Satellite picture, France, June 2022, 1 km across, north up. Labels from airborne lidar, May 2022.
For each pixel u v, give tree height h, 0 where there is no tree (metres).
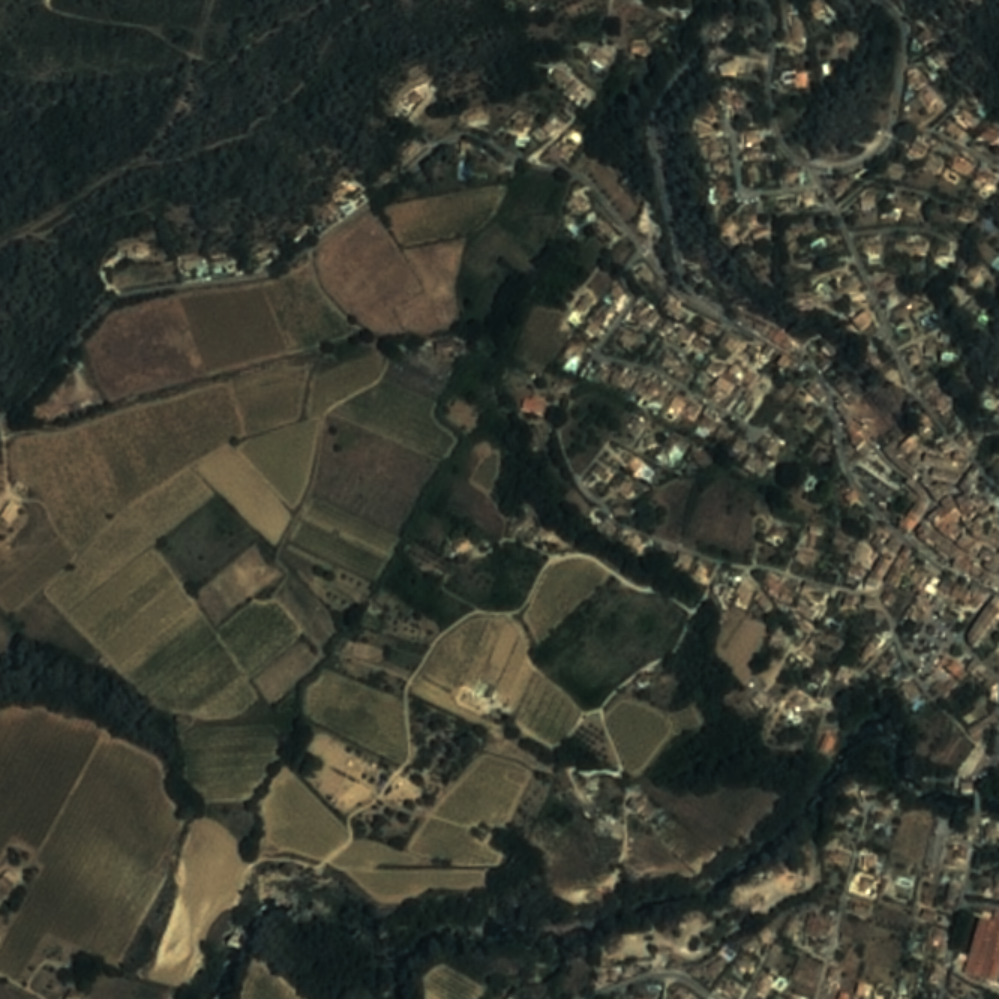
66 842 0
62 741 0
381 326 0
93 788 0
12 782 0
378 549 0
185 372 0
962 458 0
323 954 19
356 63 16
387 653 5
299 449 0
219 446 0
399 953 14
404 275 0
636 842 0
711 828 0
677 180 6
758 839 13
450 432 8
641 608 0
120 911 0
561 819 9
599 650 0
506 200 0
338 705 0
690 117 17
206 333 0
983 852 11
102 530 0
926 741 8
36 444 0
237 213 18
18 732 0
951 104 6
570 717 0
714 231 13
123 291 0
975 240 9
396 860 0
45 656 24
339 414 0
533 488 15
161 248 13
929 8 8
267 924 25
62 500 0
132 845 0
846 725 16
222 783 0
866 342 12
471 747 18
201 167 6
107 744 0
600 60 0
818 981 0
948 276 14
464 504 0
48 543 0
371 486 0
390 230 8
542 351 0
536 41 8
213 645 0
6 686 25
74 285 9
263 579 0
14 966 0
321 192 7
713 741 21
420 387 0
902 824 8
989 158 0
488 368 7
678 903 28
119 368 0
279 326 0
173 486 0
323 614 0
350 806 0
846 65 16
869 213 0
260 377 0
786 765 11
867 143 16
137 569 0
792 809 22
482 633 0
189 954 0
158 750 19
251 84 23
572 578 0
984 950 0
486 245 0
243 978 17
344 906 8
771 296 11
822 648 8
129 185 19
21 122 12
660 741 0
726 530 0
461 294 0
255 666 0
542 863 17
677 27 14
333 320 0
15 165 7
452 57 18
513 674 0
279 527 0
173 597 0
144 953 0
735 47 16
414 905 14
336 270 0
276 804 0
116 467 0
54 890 0
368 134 21
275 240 10
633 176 14
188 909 0
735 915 6
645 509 13
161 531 0
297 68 20
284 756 15
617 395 7
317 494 0
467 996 0
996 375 18
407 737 0
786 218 8
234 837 0
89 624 0
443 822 0
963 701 8
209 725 0
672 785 13
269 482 0
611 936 20
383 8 15
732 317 12
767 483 9
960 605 6
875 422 0
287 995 0
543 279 13
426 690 0
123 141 8
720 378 7
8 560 0
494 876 15
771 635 7
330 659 8
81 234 17
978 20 20
